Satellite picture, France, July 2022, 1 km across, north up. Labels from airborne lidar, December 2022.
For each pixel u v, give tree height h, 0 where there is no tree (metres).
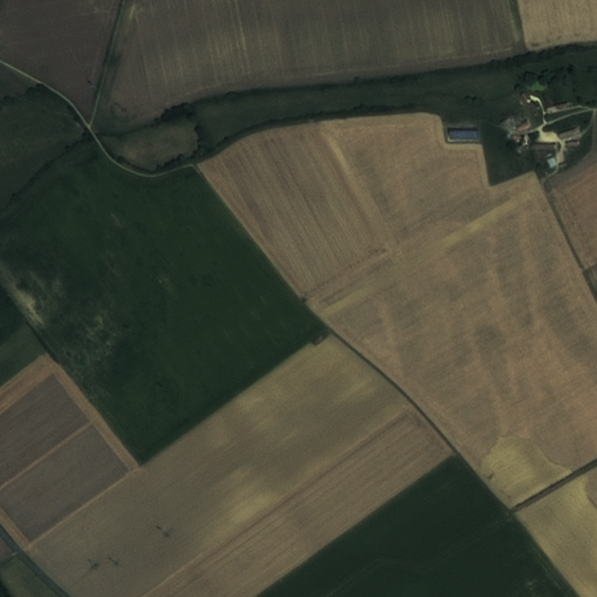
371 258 0
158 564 0
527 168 0
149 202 0
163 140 0
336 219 0
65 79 0
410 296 0
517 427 0
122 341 0
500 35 0
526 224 0
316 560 0
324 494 0
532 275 0
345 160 0
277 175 0
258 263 0
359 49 0
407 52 0
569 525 0
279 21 0
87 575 0
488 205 0
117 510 0
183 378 0
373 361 0
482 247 0
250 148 0
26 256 0
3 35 0
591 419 0
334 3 0
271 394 0
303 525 0
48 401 0
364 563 0
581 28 0
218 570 0
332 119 0
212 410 0
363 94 0
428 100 0
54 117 0
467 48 0
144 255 0
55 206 0
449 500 0
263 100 0
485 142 0
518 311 0
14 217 0
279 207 0
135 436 0
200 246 0
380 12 0
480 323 0
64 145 0
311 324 0
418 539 0
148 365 0
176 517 0
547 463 0
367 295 0
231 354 0
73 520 0
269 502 0
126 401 0
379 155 0
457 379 0
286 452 0
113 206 0
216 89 0
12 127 0
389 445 0
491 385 0
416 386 0
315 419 0
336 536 0
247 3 0
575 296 0
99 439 0
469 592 0
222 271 0
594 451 0
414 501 0
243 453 0
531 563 0
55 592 0
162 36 0
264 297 0
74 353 0
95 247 0
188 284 0
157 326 0
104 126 0
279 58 0
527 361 0
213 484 0
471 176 0
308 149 0
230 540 0
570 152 0
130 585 0
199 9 0
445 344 0
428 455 0
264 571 0
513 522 0
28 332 0
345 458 0
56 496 0
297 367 0
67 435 0
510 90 0
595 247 0
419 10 0
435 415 0
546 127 6
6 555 0
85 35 0
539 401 0
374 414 0
